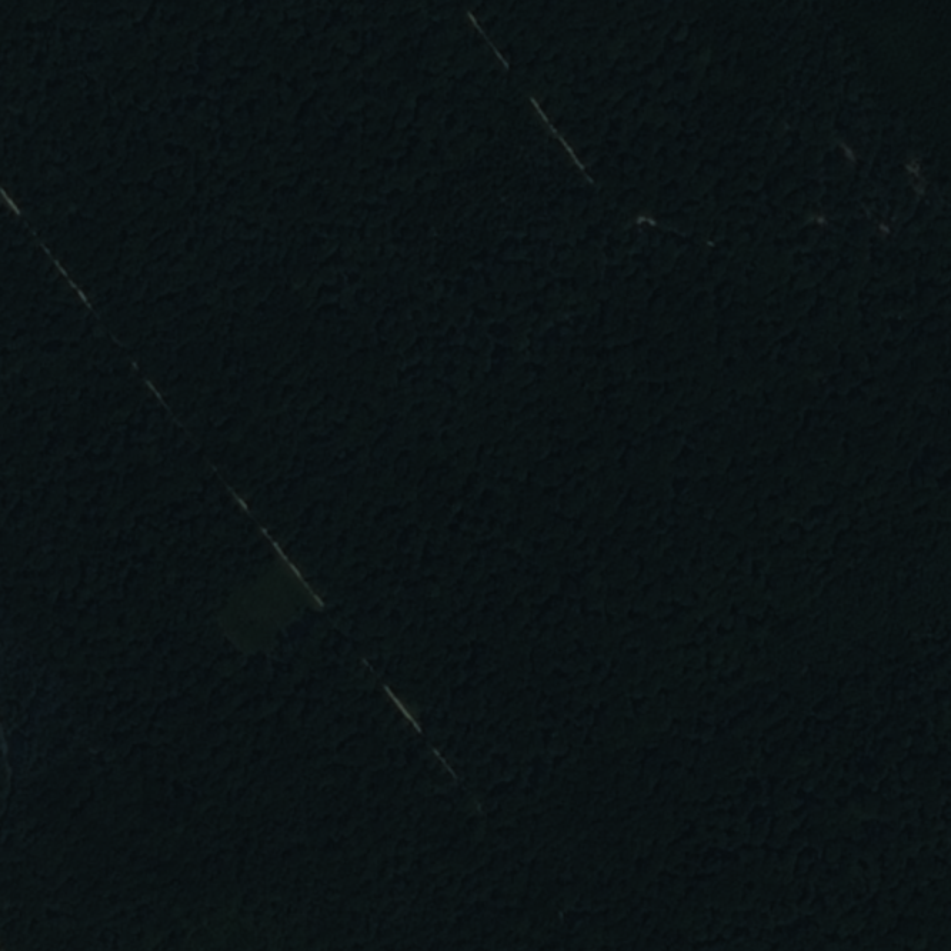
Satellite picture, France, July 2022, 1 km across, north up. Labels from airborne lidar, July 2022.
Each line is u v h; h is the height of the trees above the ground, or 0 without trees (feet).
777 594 79
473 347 89
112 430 55
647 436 82
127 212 74
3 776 58
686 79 87
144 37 81
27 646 68
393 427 72
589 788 72
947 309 71
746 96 44
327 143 76
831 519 96
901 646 57
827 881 90
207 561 50
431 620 83
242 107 80
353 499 81
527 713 85
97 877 65
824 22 55
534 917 68
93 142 64
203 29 53
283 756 59
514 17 75
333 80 71
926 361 92
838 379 89
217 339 69
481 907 77
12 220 47
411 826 73
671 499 89
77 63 74
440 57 82
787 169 69
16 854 71
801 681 69
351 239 82
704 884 85
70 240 81
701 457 94
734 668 19
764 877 93
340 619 75
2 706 55
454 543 90
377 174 64
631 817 88
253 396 92
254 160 72
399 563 86
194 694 77
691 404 74
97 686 69
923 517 52
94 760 77
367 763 73
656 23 78
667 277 71
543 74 74
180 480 80
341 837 70
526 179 36
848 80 58
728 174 82
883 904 89
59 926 58
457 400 88
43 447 33
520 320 88
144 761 75
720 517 85
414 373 68
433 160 78
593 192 77
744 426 94
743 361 95
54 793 78
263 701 81
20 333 60
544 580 86
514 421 69
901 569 70
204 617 65
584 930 79
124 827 59
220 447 56
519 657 79
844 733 55
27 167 71
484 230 37
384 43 81
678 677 72
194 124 88
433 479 51
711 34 58
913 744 68
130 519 80
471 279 86
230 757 52
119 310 78
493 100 72
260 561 63
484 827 66
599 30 82
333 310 73
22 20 72
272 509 67
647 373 72
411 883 73
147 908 73
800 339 75
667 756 69
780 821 93
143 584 80
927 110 36
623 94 73
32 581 60
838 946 79
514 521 91
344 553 90
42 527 66
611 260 49
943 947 81
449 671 74
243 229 76
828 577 47
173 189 66
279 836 59
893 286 49
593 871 68
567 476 83
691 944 73
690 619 72
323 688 76
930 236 98
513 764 82
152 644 47
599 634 90
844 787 62
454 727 76
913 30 27
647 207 71
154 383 49
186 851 77
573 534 87
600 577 90
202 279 65
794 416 94
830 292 70
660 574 81
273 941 62
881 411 81
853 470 80
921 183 41
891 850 82
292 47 82
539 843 80
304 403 69
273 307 91
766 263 88
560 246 95
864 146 84
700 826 84
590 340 47
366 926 68
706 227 75
